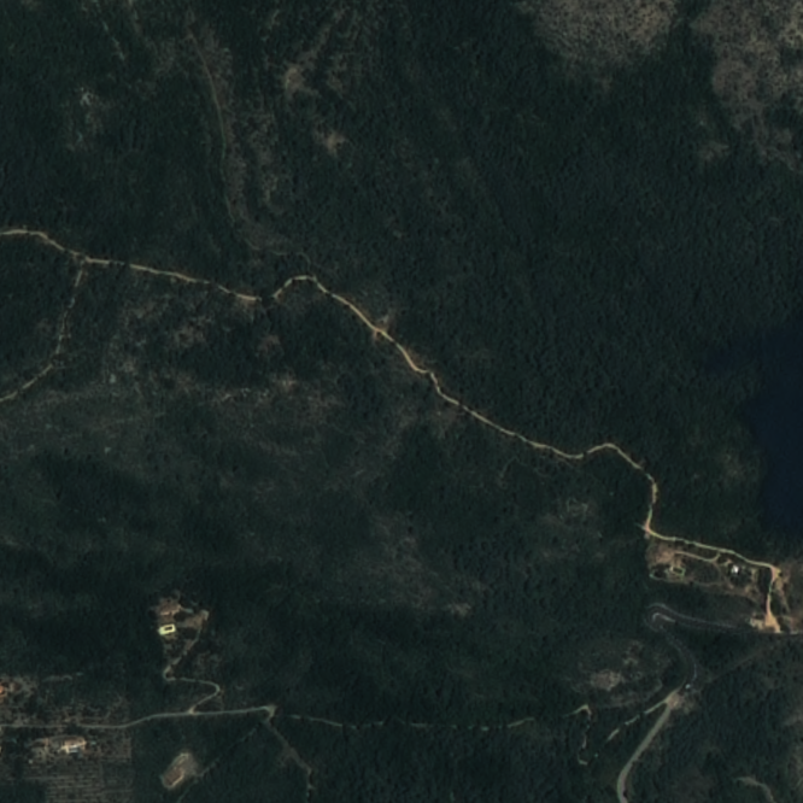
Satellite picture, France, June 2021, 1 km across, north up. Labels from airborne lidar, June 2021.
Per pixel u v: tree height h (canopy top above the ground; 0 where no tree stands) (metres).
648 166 13
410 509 8
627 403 10
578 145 6
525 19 9
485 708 6
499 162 9
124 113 9
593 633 9
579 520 6
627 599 11
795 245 12
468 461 7
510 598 14
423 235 18
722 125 7
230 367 14
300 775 11
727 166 8
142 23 8
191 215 7
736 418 6
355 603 5
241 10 8
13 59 10
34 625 12
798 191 6
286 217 9
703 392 11
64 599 7
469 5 12
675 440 7
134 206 11
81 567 9
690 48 9
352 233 12
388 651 8
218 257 7
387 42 7
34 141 9
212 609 8
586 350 11
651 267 16
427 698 8
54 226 9
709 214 9
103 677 9
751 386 17
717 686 8
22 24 9
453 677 9
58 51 14
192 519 10
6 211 11
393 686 15
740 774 6
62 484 13
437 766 8
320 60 9
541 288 13
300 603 10
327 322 6
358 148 8
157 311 5
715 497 9
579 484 6
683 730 10
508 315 8
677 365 9
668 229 9
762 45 0
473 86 9
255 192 7
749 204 9
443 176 8
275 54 8
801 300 11
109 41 8
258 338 6
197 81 10
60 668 8
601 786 6
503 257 13
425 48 11
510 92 9
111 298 10
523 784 12
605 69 5
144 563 9
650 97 11
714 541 7
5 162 11
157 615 8
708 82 8
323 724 10
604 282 11
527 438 7
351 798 8
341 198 8
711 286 13
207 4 8
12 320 14
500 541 10
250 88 9
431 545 7
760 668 9
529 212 11
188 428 9
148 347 8
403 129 11
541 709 6
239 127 7
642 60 5
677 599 10
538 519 9
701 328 12
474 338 10
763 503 12
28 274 10
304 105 12
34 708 9
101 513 9
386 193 8
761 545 7
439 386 10
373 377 11
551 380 13
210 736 10
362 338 7
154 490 7
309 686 8
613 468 7
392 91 11
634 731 7
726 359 15
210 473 7
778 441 8
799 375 9
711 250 10
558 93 8
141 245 8
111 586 12
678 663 8
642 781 7
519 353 12
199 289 9
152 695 7
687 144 11
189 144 7
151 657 6
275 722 10
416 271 13
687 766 7
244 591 15
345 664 13
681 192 13
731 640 9
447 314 9
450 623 8
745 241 13
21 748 8
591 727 6
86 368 5
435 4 13
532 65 13
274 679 8
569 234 7
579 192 10
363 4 6
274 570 10
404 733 10
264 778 7
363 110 6
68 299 15
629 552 6
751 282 12
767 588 6
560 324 13
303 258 13
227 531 8
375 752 8
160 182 7
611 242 10
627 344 8
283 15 9
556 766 9
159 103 9
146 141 13
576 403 10
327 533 5
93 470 8
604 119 10
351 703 11
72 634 14
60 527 9
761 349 12
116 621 8
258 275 12
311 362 9
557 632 9
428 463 10
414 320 8
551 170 7
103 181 7
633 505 7
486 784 14
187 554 6
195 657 10
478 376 8
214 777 8
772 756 8
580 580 10
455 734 10
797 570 0
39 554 6
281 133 6
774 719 9
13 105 11
